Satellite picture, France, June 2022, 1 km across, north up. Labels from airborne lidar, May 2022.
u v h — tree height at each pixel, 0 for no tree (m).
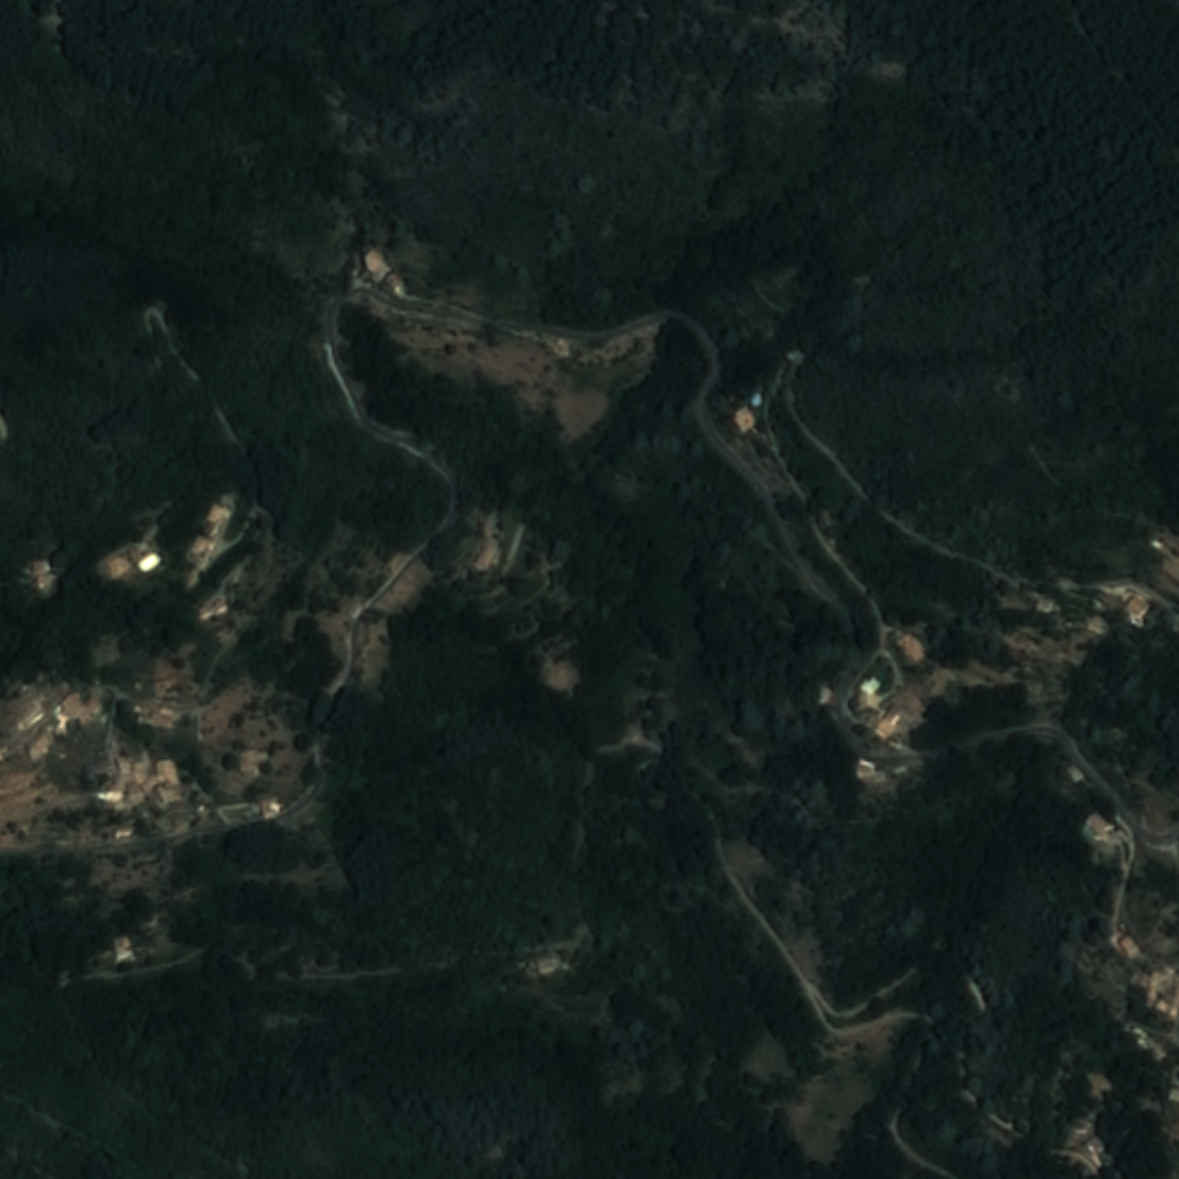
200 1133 16
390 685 14
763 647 20
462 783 6
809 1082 8
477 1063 24
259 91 11
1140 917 0
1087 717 13
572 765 10
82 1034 10
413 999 13
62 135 15
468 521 13
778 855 19
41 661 16
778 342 8
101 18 20
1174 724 24
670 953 11
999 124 25
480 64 25
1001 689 7
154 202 18
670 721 0
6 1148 9
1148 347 9
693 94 9
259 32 24
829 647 25
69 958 20
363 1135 8
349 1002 10
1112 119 24
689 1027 12
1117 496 10
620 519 18
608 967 9
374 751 13
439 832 13
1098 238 18
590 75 28
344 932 13
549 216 9
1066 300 26
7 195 18
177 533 17
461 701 18
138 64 31
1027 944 10
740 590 6
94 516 17
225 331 17
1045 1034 7
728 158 8
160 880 5
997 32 19
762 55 26
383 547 8
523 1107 27
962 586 10
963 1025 11
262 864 23
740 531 11
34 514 15
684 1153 16
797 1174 16
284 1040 15
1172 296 17
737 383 13
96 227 16
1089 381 11
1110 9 17
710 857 14
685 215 13
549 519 17
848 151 17
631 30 23
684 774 14
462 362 0
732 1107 17
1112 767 9
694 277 13
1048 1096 13
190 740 0
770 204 9
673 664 10
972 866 16
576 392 0
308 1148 10
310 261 9
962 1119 13
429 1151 20
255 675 8
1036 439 10
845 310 16
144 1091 11
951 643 15
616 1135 25
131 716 13
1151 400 9
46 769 0
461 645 22
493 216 11
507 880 18
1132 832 0
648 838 11
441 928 12
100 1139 10
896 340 10
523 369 0
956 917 26
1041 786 19
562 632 14
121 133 8
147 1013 14
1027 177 14
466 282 7
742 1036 22
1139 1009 9
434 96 17
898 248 13
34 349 19
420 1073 16
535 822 14
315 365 7
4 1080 11
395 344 9
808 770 10
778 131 9
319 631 11
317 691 14
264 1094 15
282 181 22
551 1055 16
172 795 0
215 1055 14
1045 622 8
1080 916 11
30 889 18
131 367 10
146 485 20
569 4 16
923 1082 9
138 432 25
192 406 15
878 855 11
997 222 13
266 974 13
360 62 8
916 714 0
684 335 19
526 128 11
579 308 14
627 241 9
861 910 14
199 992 7
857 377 9
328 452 14
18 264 26
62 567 21
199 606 8
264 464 29
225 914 10
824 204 7
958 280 18
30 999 7
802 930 10
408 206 10
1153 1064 6
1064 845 7
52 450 15
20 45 29
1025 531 7
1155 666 7
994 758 18
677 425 8
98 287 22
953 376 15
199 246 11
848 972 13
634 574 21
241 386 14
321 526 11
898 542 11
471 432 15
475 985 8
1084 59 21
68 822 6
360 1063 19
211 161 21
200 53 25
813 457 11
